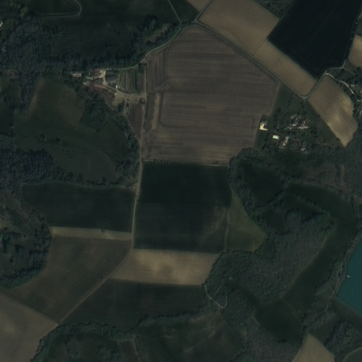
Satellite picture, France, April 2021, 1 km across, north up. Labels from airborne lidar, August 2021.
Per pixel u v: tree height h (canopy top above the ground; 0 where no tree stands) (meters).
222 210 0
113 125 0
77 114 0
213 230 0
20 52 19
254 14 0
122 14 0
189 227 0
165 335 0
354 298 0
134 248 0
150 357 0
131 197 0
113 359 15
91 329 17
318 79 0
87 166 0
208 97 0
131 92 0
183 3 0
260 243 0
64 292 0
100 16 0
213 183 0
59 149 0
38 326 0
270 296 15
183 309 0
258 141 0
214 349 0
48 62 16
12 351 0
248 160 14
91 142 0
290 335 0
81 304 0
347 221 0
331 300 0
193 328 0
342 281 22
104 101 8
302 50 0
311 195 0
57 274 0
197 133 0
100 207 0
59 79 13
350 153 20
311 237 18
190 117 0
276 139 0
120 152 0
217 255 0
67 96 0
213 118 0
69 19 0
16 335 0
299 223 28
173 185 0
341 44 0
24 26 32
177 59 0
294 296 0
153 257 0
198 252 0
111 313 0
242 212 0
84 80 10
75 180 18
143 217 0
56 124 0
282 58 0
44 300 0
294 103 0
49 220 0
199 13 0
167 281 0
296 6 0
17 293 0
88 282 0
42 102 0
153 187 0
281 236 17
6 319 0
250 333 15
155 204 0
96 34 0
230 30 0
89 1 0
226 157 0
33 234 0
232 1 0
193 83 0
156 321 18
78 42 0
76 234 0
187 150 0
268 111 0
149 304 0
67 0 0
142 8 0
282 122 13
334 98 0
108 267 0
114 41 0
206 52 0
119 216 0
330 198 0
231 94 0
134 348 0
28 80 15
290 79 0
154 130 0
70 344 25
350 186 24
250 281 24
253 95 0
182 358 0
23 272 12
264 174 0
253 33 0
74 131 0
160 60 0
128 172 14
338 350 26
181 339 0
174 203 0
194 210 0
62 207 0
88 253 0
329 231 18
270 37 0
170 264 0
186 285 0
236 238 0
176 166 0
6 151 17
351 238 0
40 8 0
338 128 0
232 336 0
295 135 12
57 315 0
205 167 0
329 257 0
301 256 16
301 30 0
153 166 0
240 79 0
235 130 0
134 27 0
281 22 0
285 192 7
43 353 12
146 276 0
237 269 11
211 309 15
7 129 0
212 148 0
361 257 0
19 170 15
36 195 0
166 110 0
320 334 0
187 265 0
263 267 22
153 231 0
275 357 13
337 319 0
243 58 0
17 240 23
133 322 0
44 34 10
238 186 23
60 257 0
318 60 0
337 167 11
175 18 0
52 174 10
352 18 0
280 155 0
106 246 0
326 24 0
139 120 0
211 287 14
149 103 0
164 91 0
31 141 0
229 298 12
